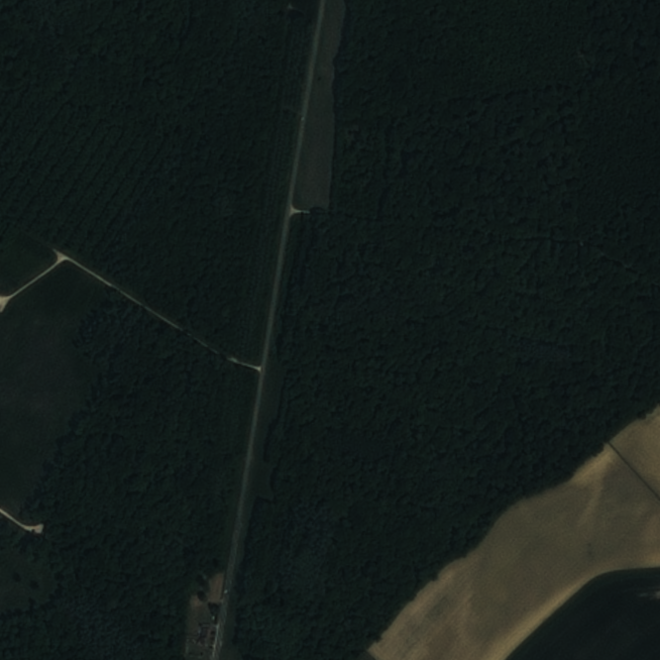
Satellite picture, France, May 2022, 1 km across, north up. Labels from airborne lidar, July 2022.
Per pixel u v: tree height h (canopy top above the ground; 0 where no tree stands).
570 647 0
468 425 21
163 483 28
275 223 11
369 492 23
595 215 22
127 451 23
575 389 29
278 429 19
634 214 29
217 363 29
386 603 25
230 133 26
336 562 25
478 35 15
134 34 25
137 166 16
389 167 19
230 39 22
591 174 22
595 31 22
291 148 13
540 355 26
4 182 15
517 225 29
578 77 17
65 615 20
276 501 12
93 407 18
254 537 20
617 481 0
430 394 21
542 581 0
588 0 15
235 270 23
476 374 22
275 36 25
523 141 29
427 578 20
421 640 0
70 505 22
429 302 23
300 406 23
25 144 16
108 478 19
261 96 26
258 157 23
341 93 23
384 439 15
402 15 23
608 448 0
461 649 0
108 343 24
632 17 30
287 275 6
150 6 27
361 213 12
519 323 21
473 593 0
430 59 20
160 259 23
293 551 17
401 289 22
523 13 17
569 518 0
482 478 25
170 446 21
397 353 20
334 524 23
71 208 15
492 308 20
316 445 24
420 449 19
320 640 20
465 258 23
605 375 13
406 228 22
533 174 30
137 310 22
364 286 24
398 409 24
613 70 26
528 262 14
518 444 27
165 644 19
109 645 22
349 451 18
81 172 17
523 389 21
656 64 27
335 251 26
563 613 0
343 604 19
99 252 16
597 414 30
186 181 21
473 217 25
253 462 0
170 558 24
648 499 0
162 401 25
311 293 28
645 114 22
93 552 27
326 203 0
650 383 21
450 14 24
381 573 23
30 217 15
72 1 32
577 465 26
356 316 25
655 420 0
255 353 11
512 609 0
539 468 29
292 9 0
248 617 12
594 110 21
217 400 27
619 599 0
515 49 15
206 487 25
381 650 0
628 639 0
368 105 19
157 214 22
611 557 0
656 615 0
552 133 30
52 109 15
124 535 23
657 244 26
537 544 0
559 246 23
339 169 12
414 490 22
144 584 27
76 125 14
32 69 21
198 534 23
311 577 28
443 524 21
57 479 17
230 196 26
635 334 23
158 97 27
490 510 25
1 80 27
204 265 25
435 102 28
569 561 0
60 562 17
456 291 21
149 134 24
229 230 25
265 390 0
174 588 25
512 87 18
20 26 23
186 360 22
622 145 21
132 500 25
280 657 24
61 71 23
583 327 22
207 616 0
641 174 22
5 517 0
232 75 23
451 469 24
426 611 0
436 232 24
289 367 12
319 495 20
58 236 14
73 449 20
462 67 17
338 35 0
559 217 25
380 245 25
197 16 20
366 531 20
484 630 0
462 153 27
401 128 27
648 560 0
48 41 28
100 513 22
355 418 26
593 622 0
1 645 23
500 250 21
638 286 25
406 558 25
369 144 9
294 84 23
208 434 21
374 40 28
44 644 24
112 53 23
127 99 28
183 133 21
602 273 21
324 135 0
